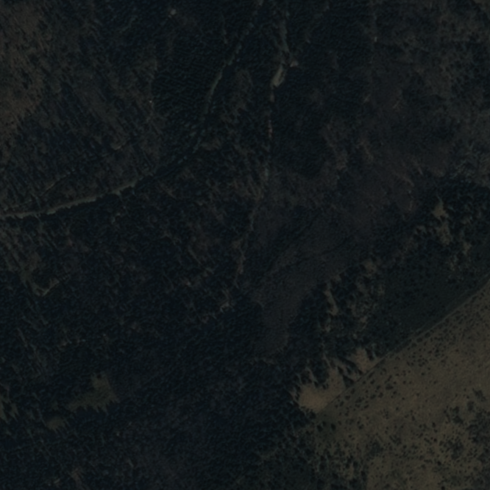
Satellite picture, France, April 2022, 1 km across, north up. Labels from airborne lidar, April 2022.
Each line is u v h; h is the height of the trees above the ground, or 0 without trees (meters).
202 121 6
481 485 15
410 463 0
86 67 35
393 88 16
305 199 8
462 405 0
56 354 26
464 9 15
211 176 8
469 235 7
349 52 20
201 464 16
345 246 14
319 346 11
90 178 31
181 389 8
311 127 17
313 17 25
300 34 16
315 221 15
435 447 0
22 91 10
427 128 13
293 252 14
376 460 0
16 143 29
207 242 12
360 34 19
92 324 25
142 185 15
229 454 18
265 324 9
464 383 0
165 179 13
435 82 10
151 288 17
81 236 7
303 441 8
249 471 14
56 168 28
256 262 11
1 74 12
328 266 13
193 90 16
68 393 7
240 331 23
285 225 11
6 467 22
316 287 11
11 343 28
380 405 0
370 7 14
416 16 13
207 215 10
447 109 10
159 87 9
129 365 16
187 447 17
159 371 16
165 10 30
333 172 14
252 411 20
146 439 15
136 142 33
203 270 9
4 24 11
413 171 11
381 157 13
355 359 0
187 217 28
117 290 23
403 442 0
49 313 28
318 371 7
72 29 7
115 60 30
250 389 18
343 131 18
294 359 18
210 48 8
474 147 12
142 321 19
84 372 12
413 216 10
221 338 18
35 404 21
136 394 14
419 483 0
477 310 0
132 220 7
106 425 19
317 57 24
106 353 24
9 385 23
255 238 11
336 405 0
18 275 0
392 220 13
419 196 12
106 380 0
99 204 14
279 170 15
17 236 27
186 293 7
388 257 16
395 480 0
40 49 36
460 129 11
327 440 0
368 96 16
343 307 14
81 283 27
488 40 11
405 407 0
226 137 8
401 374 0
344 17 21
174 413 17
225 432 26
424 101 14
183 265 10
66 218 7
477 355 0
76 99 32
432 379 0
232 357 19
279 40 16
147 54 29
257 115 27
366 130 16
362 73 16
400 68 10
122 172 18
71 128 31
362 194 18
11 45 10
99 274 23
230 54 13
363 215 17
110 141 8
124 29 30
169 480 17
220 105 11
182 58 11
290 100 16
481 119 8
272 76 7
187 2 25
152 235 8
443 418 0
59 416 7
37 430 18
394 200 14
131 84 29
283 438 14
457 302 0
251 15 11
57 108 10
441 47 12
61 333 30
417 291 8
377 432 0
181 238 13
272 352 13
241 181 8
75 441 14
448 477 0
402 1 16
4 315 27
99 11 8
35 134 43
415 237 11
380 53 13
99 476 22
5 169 8
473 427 11
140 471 15
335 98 22
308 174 17
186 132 8
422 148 13
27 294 16
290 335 8
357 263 13
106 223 27
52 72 9
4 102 10
